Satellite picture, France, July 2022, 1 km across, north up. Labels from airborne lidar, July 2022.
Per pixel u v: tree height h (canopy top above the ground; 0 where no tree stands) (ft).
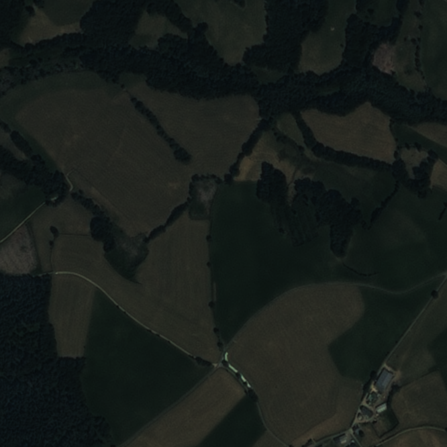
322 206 82
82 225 0
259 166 0
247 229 0
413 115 72
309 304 0
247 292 0
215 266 0
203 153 0
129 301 0
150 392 0
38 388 72
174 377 0
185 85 70
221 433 0
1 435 53
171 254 0
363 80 105
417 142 0
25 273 0
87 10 0
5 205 0
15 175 28
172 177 0
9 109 0
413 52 0
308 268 0
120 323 0
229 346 0
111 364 0
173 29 0
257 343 0
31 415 61
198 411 0
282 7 69
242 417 0
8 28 82
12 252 0
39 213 0
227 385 0
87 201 26
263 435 0
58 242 0
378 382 0
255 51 67
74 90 0
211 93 67
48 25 0
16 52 49
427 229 0
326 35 0
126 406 0
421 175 65
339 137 0
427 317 0
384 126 0
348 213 98
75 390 58
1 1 85
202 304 0
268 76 0
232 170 52
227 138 0
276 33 70
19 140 72
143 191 0
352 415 0
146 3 93
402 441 0
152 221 0
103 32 75
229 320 0
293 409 0
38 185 56
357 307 0
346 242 71
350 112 32
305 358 0
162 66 81
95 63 91
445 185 0
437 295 44
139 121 0
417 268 0
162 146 0
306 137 74
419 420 0
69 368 69
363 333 0
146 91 0
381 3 0
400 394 0
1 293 81
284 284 0
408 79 0
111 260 0
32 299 68
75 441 79
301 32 70
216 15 0
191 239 0
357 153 0
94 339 0
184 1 0
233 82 74
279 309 0
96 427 54
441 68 0
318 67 0
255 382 0
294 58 75
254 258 0
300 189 58
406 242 0
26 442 73
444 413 0
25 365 78
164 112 0
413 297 0
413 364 0
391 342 0
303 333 0
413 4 0
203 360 39
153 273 0
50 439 71
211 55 79
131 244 0
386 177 0
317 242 0
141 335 0
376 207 0
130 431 0
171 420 0
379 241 0
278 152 0
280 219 0
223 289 0
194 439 0
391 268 0
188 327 0
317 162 0
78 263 0
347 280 0
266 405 0
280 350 0
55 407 46
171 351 0
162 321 0
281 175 79
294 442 0
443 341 0
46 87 0
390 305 0
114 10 106
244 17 0
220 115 0
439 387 0
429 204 0
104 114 0
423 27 21
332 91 0
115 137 0
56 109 0
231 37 0
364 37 87
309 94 64
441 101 36
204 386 0
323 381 0
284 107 56
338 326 0
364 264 0
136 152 0
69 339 0
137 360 0
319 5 81
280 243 0
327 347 0
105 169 0
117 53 85
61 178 55
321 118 0
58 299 0
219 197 0
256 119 0
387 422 0
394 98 93
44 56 0
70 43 92
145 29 0
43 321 57
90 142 0
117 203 0
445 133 0
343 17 0
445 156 0
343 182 0
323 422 0
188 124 0
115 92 0
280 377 0
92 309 0
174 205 0
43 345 64
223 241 0
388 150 0
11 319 72
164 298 0
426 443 0
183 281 0
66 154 0
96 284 0
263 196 55
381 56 0
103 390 0
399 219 0
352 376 0
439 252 0
